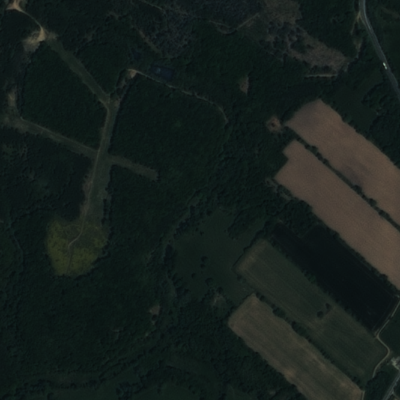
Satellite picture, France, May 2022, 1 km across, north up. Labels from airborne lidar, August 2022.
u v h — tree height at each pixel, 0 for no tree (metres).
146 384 16
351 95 0
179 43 22
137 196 19
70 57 0
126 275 22
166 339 20
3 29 10
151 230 23
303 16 13
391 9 11
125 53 8
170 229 13
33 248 20
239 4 12
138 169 0
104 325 21
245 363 14
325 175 0
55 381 0
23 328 21
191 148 20
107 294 19
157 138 19
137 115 20
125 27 19
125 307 21
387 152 20
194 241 0
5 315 9
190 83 12
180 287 21
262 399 21
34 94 19
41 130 0
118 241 21
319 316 19
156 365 9
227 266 0
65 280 18
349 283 0
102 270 20
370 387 16
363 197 10
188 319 11
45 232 20
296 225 6
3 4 15
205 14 17
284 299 0
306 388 0
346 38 22
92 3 10
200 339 17
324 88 13
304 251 0
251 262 0
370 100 21
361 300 0
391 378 9
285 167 0
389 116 18
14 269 9
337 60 0
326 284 0
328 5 22
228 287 0
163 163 21
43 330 19
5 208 13
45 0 16
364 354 0
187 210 20
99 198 0
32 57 13
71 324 21
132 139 20
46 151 12
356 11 15
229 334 14
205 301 12
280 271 0
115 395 0
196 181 16
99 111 15
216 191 15
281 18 0
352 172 0
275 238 0
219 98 12
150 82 19
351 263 0
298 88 18
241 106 22
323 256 0
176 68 17
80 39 11
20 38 8
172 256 20
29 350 21
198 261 0
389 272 0
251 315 0
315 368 0
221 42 19
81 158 12
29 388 10
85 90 19
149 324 21
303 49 0
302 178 0
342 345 0
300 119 0
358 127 13
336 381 0
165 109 18
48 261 19
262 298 12
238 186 15
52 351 17
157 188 17
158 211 16
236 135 22
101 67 21
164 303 17
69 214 12
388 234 0
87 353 14
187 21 21
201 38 14
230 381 24
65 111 18
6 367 18
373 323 0
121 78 15
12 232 17
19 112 6
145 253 24
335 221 0
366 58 24
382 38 17
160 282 11
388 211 0
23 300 18
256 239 10
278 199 12
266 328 0
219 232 0
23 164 11
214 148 17
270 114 22
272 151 6
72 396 0
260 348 0
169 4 12
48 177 12
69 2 11
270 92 20
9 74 9
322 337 0
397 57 0
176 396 0
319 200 0
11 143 8
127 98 19
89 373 8
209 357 23
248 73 13
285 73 21
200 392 15
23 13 7
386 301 0
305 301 0
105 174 0
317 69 19
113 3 8
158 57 13
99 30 13
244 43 19
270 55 10
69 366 17
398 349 0
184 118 19
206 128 20
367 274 0
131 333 17
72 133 17
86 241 0
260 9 17
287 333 0
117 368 13
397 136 22
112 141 16
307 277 15
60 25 9
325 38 19
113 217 20
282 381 16
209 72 20
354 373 0
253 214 17
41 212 17
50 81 18
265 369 7
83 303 22
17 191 12
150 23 9
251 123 21
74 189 14
